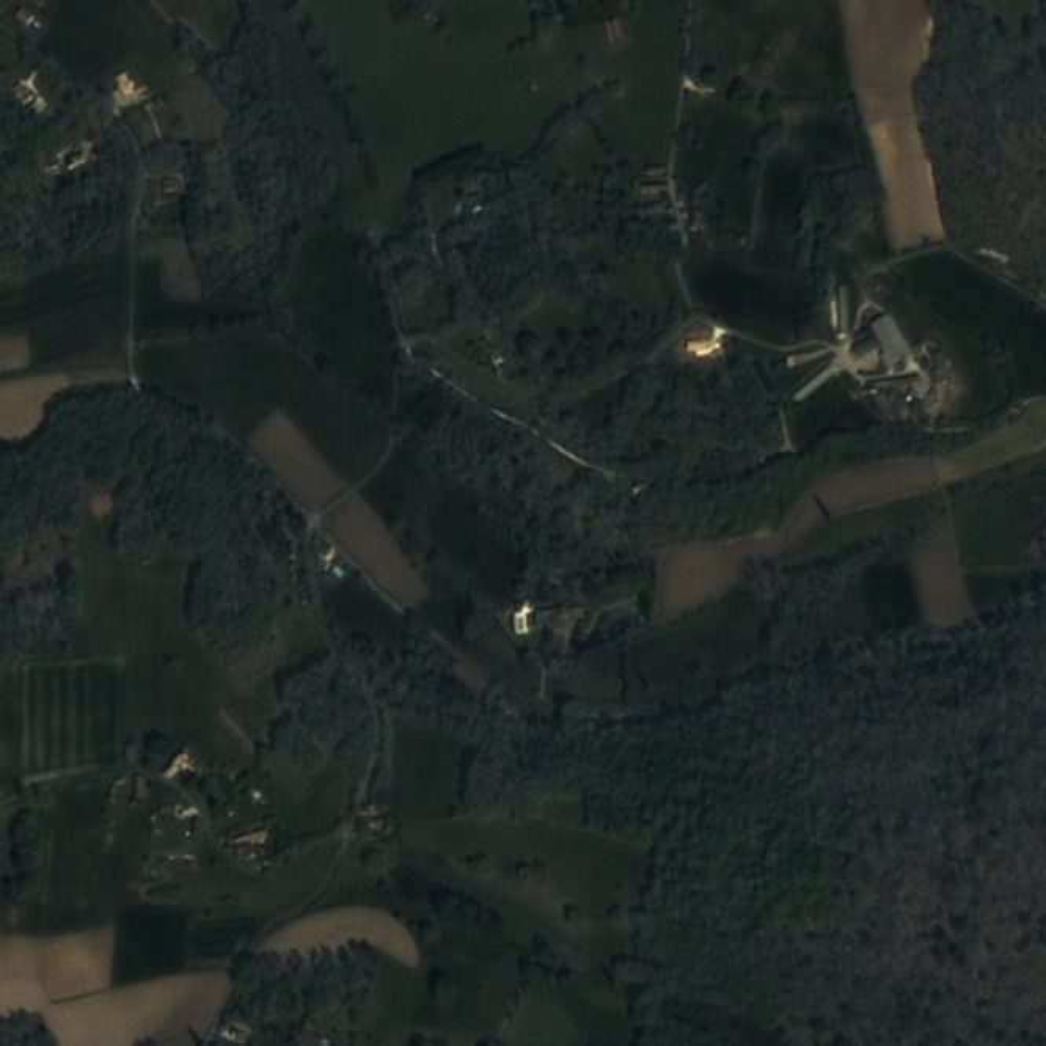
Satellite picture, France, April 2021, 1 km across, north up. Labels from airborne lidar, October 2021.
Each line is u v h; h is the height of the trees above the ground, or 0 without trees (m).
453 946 0
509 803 17
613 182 14
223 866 8
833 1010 16
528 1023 0
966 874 21
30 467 24
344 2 0
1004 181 19
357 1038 12
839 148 0
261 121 22
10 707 0
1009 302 0
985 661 16
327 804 0
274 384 0
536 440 13
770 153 12
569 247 14
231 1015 6
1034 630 18
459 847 0
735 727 19
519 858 0
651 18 0
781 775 15
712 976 19
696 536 24
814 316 15
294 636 0
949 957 19
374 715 16
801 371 0
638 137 0
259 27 19
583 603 18
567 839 0
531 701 0
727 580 0
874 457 17
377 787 11
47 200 18
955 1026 18
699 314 12
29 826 18
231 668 15
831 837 17
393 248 17
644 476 16
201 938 0
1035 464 0
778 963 16
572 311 11
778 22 0
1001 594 0
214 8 0
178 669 14
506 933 30
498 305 23
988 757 22
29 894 18
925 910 22
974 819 19
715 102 0
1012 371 15
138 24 0
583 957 0
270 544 6
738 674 0
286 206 11
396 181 0
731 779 18
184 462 12
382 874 17
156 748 17
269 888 0
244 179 14
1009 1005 16
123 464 21
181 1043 0
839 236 13
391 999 0
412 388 13
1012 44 20
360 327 0
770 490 20
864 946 20
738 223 0
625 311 14
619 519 17
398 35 0
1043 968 13
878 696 11
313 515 0
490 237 18
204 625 19
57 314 0
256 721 0
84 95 14
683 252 14
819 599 22
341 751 15
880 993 18
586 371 23
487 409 10
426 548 15
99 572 0
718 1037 14
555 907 0
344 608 0
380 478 0
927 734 18
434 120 0
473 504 15
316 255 0
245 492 15
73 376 0
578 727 19
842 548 0
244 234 0
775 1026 15
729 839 23
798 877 21
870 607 0
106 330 0
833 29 0
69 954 0
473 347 10
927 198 0
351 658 18
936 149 15
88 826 0
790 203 0
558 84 0
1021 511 0
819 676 14
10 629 19
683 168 0
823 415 0
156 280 0
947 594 0
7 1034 18
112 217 17
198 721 0
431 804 0
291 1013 10
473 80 0
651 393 20
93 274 0
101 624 0
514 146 0
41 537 23
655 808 15
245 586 20
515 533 23
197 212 16
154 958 0
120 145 21
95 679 0
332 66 18
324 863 0
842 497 0
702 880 21
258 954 0
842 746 19
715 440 20
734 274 0
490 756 16
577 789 17
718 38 0
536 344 20
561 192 8
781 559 0
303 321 0
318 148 21
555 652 21
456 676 8
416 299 13
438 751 0
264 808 7
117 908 0
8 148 24
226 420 0
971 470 0
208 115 0
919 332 0
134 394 18
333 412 0
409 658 12
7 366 0
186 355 0
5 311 0
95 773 0
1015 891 8
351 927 0
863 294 0
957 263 0
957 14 18
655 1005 18
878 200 20
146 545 20
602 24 0
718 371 0
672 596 0
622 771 19
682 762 21
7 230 21
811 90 0
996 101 17
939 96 11
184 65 13
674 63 0
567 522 18
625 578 20
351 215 0
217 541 20
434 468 11
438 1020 0
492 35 0
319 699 23
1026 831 18
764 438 22
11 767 0
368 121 0
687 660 0
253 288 12
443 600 0
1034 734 12
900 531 0
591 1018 0
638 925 20
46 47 0
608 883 0
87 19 0
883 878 19
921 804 12
